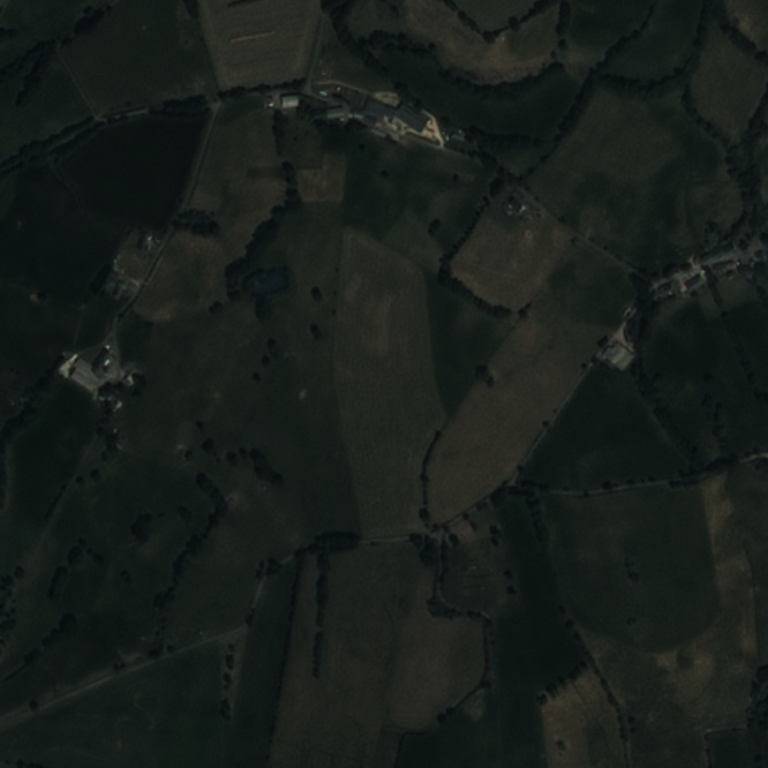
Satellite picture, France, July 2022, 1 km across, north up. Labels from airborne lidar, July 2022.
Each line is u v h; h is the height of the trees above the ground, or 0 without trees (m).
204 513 0
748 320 0
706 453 0
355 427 0
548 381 0
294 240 0
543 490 15
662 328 0
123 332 0
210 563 0
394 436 0
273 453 0
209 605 0
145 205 0
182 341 0
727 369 0
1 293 0
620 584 0
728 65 0
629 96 14
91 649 0
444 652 0
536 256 0
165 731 0
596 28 0
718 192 0
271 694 0
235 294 17
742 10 0
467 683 0
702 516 0
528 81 12
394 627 0
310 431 0
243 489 0
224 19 0
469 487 0
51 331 0
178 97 0
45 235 0
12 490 0
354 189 0
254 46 0
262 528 0
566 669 0
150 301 0
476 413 0
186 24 0
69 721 0
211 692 0
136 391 7
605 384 0
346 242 0
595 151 0
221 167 0
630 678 0
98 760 0
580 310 0
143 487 0
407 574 0
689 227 0
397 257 0
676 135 0
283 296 0
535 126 0
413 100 10
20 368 0
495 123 0
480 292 0
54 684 0
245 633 0
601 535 0
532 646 0
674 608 0
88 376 0
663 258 0
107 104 0
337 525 0
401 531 0
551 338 0
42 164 12
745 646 0
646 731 0
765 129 11
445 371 0
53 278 0
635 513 0
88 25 19
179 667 0
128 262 0
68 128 7
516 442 0
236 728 0
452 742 0
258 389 0
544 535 17
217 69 0
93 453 0
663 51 0
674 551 0
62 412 0
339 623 0
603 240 0
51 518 6
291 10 0
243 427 0
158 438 0
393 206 0
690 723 0
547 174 0
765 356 0
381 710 0
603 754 0
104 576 0
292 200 17
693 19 0
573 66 0
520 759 0
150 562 0
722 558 0
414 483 0
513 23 16
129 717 0
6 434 15
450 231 0
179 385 0
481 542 0
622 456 0
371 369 0
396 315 0
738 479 0
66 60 0
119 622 0
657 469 0
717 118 0
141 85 0
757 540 0
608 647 0
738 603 0
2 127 0
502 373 0
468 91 14
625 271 0
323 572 8
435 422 0
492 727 0
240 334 0
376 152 0
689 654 0
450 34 0
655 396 6
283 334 0
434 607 10
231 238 0
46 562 0
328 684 0
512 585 0
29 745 0
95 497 0
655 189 0
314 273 0
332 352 0
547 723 0
